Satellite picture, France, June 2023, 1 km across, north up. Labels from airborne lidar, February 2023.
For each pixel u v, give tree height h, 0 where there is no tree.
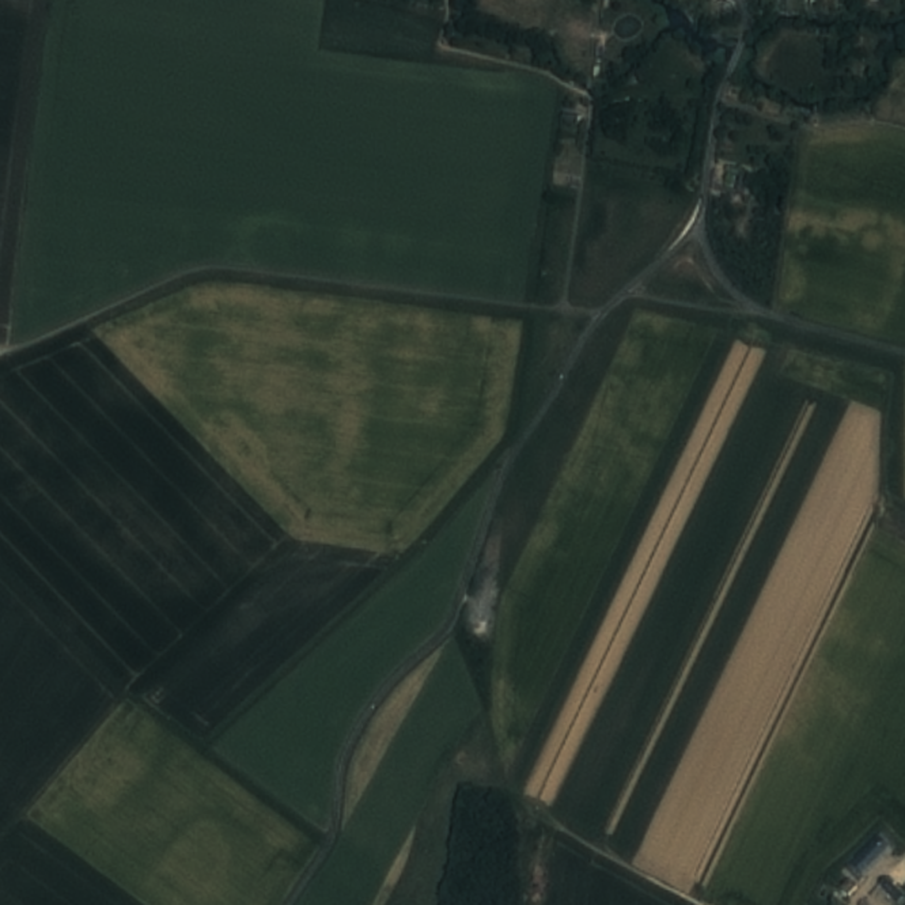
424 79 0
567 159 0
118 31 0
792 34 0
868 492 0
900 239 0
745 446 0
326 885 0
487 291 0
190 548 0
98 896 0
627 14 0
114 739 0
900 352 0
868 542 0
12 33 0
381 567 0
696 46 13
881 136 0
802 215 0
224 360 0
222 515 0
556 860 0
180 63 0
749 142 0
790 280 0
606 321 0
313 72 0
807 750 0
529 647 0
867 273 0
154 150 0
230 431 0
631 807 0
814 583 0
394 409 0
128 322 0
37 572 0
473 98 0
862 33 13
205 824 0
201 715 0
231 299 0
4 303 0
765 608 0
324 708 0
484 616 0
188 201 0
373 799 0
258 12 0
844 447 0
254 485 0
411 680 0
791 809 0
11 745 0
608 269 0
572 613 0
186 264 0
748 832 0
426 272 0
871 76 14
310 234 0
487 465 0
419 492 0
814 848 0
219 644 0
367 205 0
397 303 0
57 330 0
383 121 0
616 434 0
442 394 0
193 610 0
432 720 0
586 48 0
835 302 0
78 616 0
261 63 0
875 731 0
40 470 0
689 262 0
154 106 0
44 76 0
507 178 0
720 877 0
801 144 0
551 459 0
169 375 0
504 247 0
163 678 0
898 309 0
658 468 0
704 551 0
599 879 0
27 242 0
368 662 0
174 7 0
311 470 0
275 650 0
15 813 0
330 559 0
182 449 0
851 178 0
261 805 0
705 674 0
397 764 0
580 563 0
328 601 0
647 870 0
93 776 0
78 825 0
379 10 0
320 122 0
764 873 0
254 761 0
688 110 8
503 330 0
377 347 0
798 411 0
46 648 0
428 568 0
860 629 0
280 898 0
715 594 0
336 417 0
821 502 0
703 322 0
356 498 0
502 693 0
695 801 0
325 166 0
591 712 0
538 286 0
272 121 0
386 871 0
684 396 0
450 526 0
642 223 0
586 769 0
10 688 0
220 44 0
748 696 0
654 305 0
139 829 0
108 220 0
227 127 0
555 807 0
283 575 0
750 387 0
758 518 0
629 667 0
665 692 0
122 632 0
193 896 0
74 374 0
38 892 0
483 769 0
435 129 0
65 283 0
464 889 19
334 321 0
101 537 0
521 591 0
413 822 0
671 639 0
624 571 0
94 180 0
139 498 0
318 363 0
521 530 0
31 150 0
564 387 0
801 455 0
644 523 0
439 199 0
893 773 0
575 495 0
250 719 0
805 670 0
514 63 0
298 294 0
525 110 0
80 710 0
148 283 0
